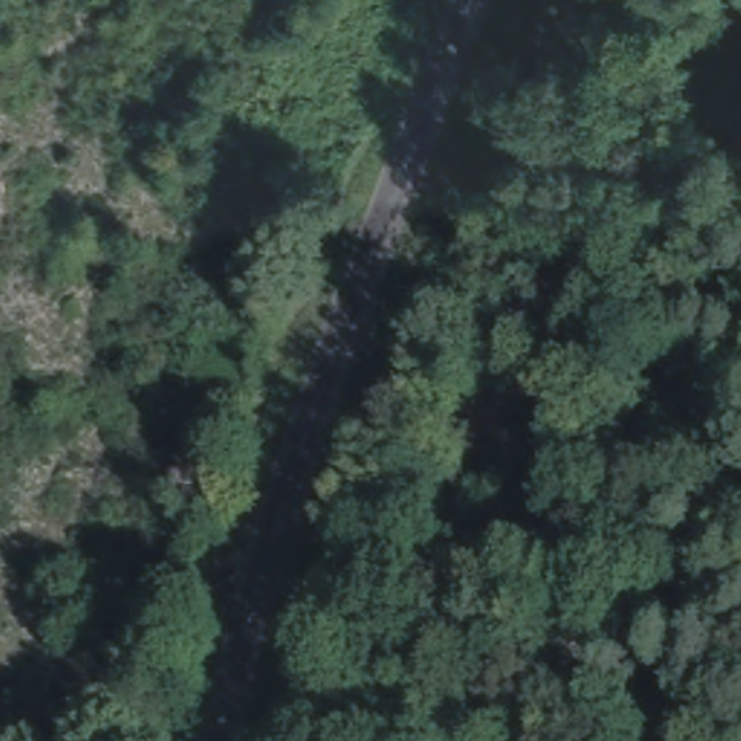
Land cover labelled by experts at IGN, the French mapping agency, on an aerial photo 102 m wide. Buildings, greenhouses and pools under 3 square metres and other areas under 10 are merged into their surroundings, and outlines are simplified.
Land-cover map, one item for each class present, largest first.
<instances>
[{"label":"deciduous trees","instance_id":"1","mask_svg":"<svg viewBox=\"0 0 741 741\"><path fill-rule=\"evenodd\" d=\"M457 110L463 116L469 139L449 153L452 159L440 174V191L452 197L454 217L446 287L417 289V304L408 307L399 318H391V330H397L394 379L373 385L365 399L376 425L368 428L356 420L342 423L333 434V460L327 472L316 480V492L330 498V509L313 518V533L307 541L310 567L289 576V602L275 634L278 648L287 654V660H281L275 672L266 677L263 712L272 715L269 729L281 741H741V602L724 611L715 593L692 602L698 608L700 625L706 628V645L700 654L689 660L674 651L680 634L674 608H663L660 654L651 663H645L637 654L631 637L622 645L608 640L602 619L622 590L651 588L660 579H669L677 567L700 573L706 567H715L718 585L741 582V489L724 492L718 507L700 509V527L706 533L700 541L672 547L669 535L674 524L683 521L689 492L700 489L721 469H727L724 428L709 434L706 420L721 417L727 411L729 379L718 385L703 382L700 350L712 353L718 347V336L724 333L729 318V307L741 298V272L735 266L709 272L703 269L698 246L700 226L686 220L677 188L695 174V168H706L715 156L727 159L729 182L741 185V0H570L567 17L521 20L515 14L498 41L480 46L457 67ZM258 431L255 420L249 414H240L232 399L220 408L217 417L200 423L197 443L179 457V463L165 478L156 480L159 504L165 507L162 518L165 533L177 535V553L185 562V570L171 573L162 582V590L156 593L153 605L145 608L142 619L148 634L133 657L130 674L116 686L87 683V706L81 703L78 709H69L61 718H55L61 741H182L197 724V706L206 689V657L211 654L217 637L211 596L200 576V559L208 547L226 541L234 518L246 512L258 498ZM35 576L52 593L46 602L55 617L43 622L46 643L55 651H67L78 622L84 619L93 602V588L81 579L84 567L78 559L61 556L55 562L41 564Z\"/></svg>","mask_w":741,"mask_h":741},{"label":"brushwood","instance_id":"2","mask_svg":"<svg viewBox=\"0 0 741 741\"><path fill-rule=\"evenodd\" d=\"M388 0H0V113L23 124L32 119L41 101H58L55 119L61 127V139L52 145V156L69 159L87 139H98L104 153V188L93 197L113 208L119 200L116 185L124 177L136 174L139 182L156 200H162L159 211L177 223V237L171 240L145 237L133 229L122 240L101 237L93 220H81L78 237L64 249L61 258L49 263V289L93 287L87 313V342L93 359L90 365H84V373L29 371L23 327L0 330V538L12 533H32L49 541H61L64 530L72 524H107L133 527L145 538H153V521L162 518L165 507L159 504L156 480L165 478L179 463V457L197 443L200 423L217 417L220 408L232 399L240 414H249L255 420V408L261 405L263 373L269 371L278 347L252 336L255 316L232 289L234 278L252 269L249 258L240 255V243L255 237V232L266 220L281 217L284 208H292L301 200H307L310 191L318 188L324 179L333 185V179H350L362 153L368 151V142L373 139L376 127L365 116L353 93L359 75L373 72L385 81L411 84V78L399 67H394V61L376 43L379 32L385 29ZM6 564L0 556V631L9 628L17 617L12 614V605L3 590Z\"/></svg>","mask_w":741,"mask_h":741},{"label":"impervious surface","instance_id":"3","mask_svg":"<svg viewBox=\"0 0 741 741\"><path fill-rule=\"evenodd\" d=\"M524 0H388L385 29L379 32L376 43L394 61V67H399L411 78V84L385 81L373 72L359 75L353 93L365 116L376 127L373 139L382 145V162L391 171L379 179L365 217L347 223L344 229L356 232L353 255L333 287L336 292H330L318 304V316L330 321L324 344L301 368L295 382L298 388L289 394L287 408L281 414H272L258 431V498L246 512L234 518L226 541L208 547L200 559V576L211 596L217 637L211 654L206 657V689L197 706V724L182 741H281L269 729L272 715L263 712L266 677L275 672L281 660H287V654L278 648L275 634L289 602V576L310 567L307 541L313 533V518L330 509V498L316 492V480L327 472L333 460V434L342 423L356 420L368 428L376 425L365 399L373 385L394 379L397 330H391V318H399L408 307L417 304V289L446 287L454 217L452 197L440 191V174L452 159L449 153L469 139L463 116L457 110V67L480 46L498 41L515 14Z\"/></svg>","mask_w":741,"mask_h":741},{"label":"herbaceous vegetation","instance_id":"4","mask_svg":"<svg viewBox=\"0 0 741 741\"><path fill-rule=\"evenodd\" d=\"M570 0H524L515 14L521 20L567 17ZM58 101H41L32 119L23 124L0 113V330L23 327L29 371L84 373V365H90L93 359L87 342V313L93 287L49 289V263L61 258L64 249L78 237L81 220H93L101 237L122 240L133 229L145 237L171 240L177 237V223L159 211L162 200H156L139 182L136 174L124 177L116 185L119 200L113 208L93 197L104 188V153L98 139H87L69 159L52 156V145L61 139V127L55 119ZM391 171L382 162V145L373 139L368 142V151L362 153L350 179H333V197L347 214V223L365 217L379 179ZM356 232L344 229L321 237V261L327 263L324 281L333 287L353 255ZM330 321L318 316L313 324H298L292 318L278 347L269 371L263 373L261 405L255 408V420L258 431L272 414H281L287 408L289 394L298 388L295 382L301 368L324 344ZM0 556L6 564L3 590L12 605V614L17 617L9 628L0 631V741H61L55 718H61L69 709H78L81 703L87 706V683L116 686L130 674L133 657L148 634L142 619L145 608L153 605L156 593L162 590V582L171 573L185 570V562L177 553V535L165 533L162 518L153 521V538H145L133 527L107 524H72L64 530L61 541H49L32 533H12L0 538ZM61 556L78 559L84 567L81 579L93 588V602L84 619L78 622L67 651H55L46 643L43 622L55 617L46 602L52 593L35 576L41 564L55 562Z\"/></svg>","mask_w":741,"mask_h":741},{"label":"coniferous trees","instance_id":"5","mask_svg":"<svg viewBox=\"0 0 741 741\"><path fill-rule=\"evenodd\" d=\"M686 220L700 226L698 246L703 269L709 272L735 266L741 272V185L729 182L727 159L715 156L706 168H695V174L677 188ZM347 223V214L333 197V185L324 179L318 188L310 191L307 200H301L292 208H284L281 217L266 220L255 232V237L240 243V255L249 258L252 269L234 278L232 289L255 316L252 336L278 347L292 318L298 324H313L318 316V304L330 292H336L333 287L324 281L327 263L321 261V237L344 229ZM703 382L718 385L729 379L727 411L721 417L706 420L709 434L724 428L727 469H721L700 489L689 492L683 521L674 524L669 535L672 547L700 541L706 533L700 527V509L718 507L724 492L741 489V298L729 307V318L724 333L718 336V347L712 353L700 350ZM715 593L724 611L741 602V582L718 585L715 567H706L700 573L677 567L669 579H660L651 588L622 590L602 619L608 640L622 645L631 637L637 654L645 663H651L660 654L663 608H674L680 634L674 651L689 660L700 654L706 645V628L700 625L698 608L692 602Z\"/></svg>","mask_w":741,"mask_h":741}]
</instances>
